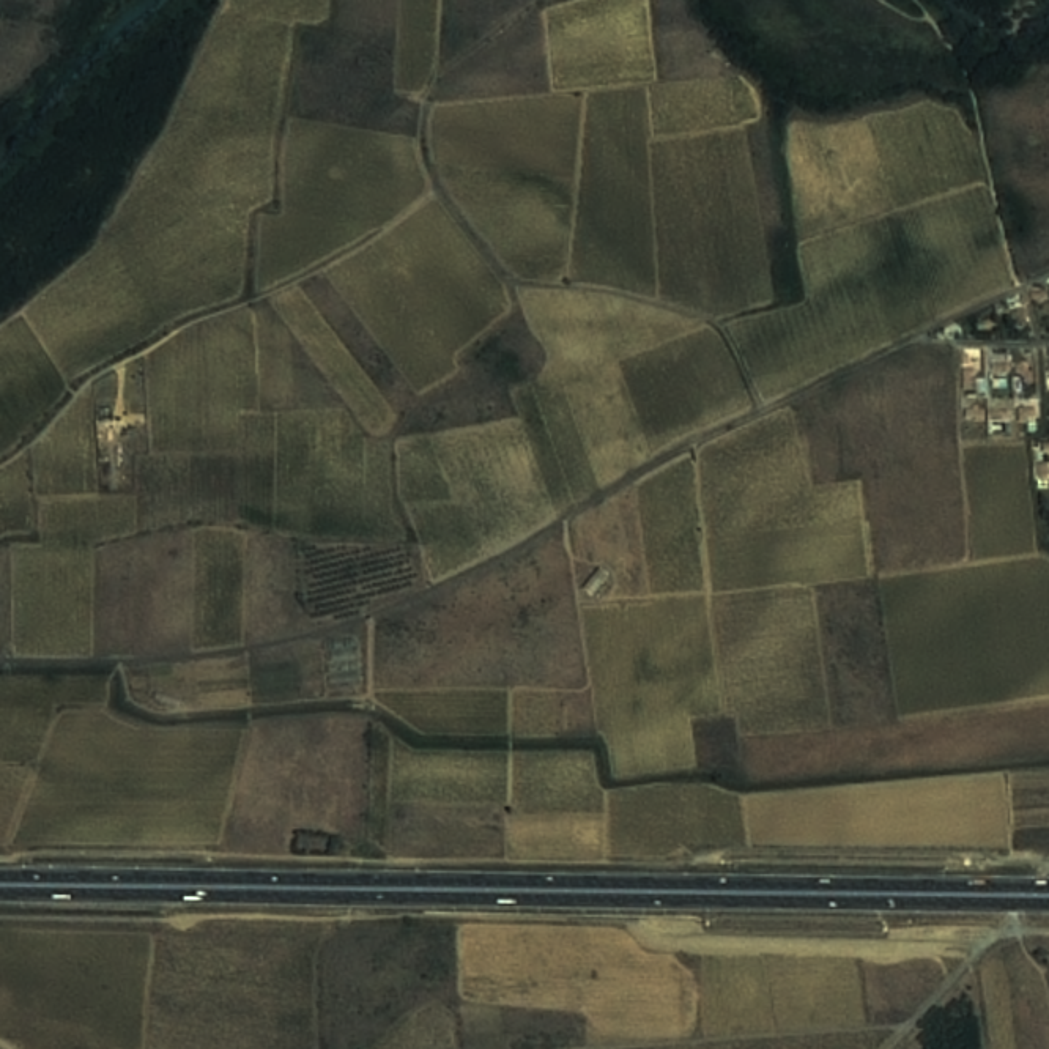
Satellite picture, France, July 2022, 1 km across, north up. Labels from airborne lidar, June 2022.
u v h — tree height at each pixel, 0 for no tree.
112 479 0
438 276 0
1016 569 0
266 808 0
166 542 0
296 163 0
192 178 0
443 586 0
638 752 0
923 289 0
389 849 0
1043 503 9
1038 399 0
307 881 0
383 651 0
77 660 0
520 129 0
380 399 0
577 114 0
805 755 0
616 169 0
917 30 0
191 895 0
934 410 0
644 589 0
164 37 8
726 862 0
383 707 0
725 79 0
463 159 0
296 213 0
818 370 0
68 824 0
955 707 0
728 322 0
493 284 0
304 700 0
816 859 0
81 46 8
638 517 0
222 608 0
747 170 0
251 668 0
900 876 0
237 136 0
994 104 0
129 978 0
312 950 0
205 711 0
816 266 0
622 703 0
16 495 0
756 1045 0
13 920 0
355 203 0
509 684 0
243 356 0
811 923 0
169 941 0
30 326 0
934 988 0
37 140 9
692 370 0
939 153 0
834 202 0
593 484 0
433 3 0
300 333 0
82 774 0
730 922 0
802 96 8
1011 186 0
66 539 0
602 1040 0
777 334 0
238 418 0
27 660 0
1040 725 0
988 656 0
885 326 0
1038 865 0
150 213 0
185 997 0
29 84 8
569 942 0
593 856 0
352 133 0
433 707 0
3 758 0
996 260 0
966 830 0
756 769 0
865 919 0
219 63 0
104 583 0
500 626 0
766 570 0
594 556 0
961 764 0
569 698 0
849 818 0
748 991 0
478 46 0
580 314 0
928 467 0
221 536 0
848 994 0
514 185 0
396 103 0
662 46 0
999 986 0
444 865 0
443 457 0
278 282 0
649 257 0
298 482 0
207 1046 0
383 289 0
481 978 0
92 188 7
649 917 0
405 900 0
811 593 0
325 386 0
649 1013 0
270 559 0
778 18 0
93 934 0
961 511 0
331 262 0
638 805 0
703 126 0
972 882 0
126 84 9
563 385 0
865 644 0
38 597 0
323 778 0
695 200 0
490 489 0
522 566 0
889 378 0
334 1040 0
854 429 0
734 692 0
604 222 0
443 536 0
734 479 0
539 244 0
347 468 0
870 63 0
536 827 0
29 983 0
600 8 0
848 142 0
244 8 0
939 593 0
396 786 0
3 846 0
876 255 0
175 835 0
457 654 0
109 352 0
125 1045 0
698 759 0
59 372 0
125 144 9
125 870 0
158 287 0
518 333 0
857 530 0
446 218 0
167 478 0
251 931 0
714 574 0
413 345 0
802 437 0
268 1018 0
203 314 0
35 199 9
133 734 0
